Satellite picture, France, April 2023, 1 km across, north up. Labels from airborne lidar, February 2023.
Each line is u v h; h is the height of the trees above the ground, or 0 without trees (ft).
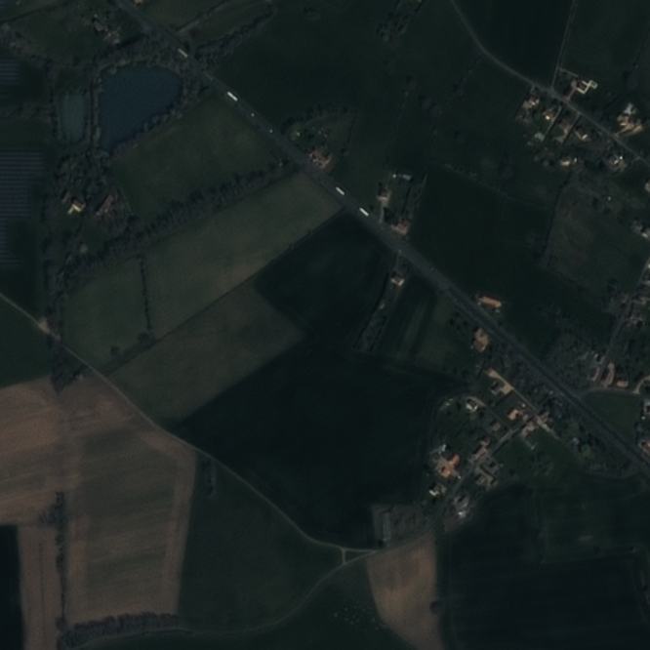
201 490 0
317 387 0
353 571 0
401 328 0
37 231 0
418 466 0
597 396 0
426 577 0
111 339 0
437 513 0
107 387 0
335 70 0
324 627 0
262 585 0
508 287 0
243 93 0
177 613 0
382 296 19
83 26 0
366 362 0
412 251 0
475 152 0
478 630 0
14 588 0
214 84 0
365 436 0
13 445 0
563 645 0
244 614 0
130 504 0
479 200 0
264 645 0
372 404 0
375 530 0
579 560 0
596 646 0
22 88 0
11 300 0
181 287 0
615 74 0
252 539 0
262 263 0
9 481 0
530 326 0
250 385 0
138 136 59
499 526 0
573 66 0
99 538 0
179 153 0
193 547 0
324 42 0
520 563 0
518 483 0
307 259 0
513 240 0
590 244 0
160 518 0
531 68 0
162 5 0
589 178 0
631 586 0
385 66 29
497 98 0
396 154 0
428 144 0
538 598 0
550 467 26
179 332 0
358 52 0
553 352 51
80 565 0
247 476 0
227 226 0
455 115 0
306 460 0
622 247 0
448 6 0
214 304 0
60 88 0
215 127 0
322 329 0
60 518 53
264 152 0
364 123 0
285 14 0
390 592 0
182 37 0
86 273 75
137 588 0
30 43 0
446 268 0
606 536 0
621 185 0
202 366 0
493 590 0
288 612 0
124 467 0
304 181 0
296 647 0
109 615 0
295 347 0
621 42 0
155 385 0
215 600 0
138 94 0
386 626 0
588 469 37
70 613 0
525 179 0
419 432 0
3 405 0
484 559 0
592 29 0
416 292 0
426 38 0
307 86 0
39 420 0
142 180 0
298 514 0
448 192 0
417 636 0
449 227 0
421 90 0
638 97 0
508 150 0
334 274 0
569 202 0
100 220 26
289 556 0
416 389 0
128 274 0
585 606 0
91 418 0
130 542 0
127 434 0
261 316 0
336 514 0
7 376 0
